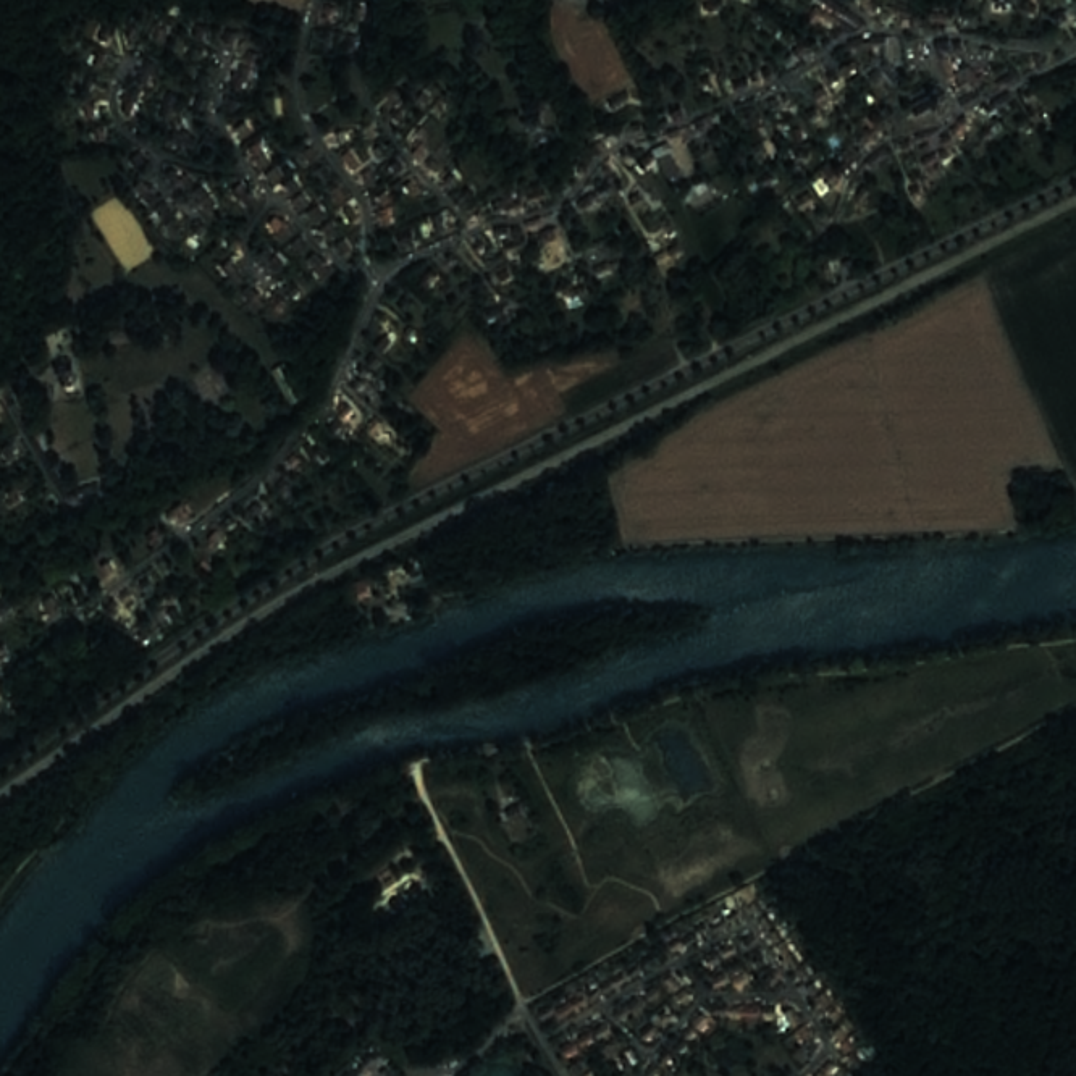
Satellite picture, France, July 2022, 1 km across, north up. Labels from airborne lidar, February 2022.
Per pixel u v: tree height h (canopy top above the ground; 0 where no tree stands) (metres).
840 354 0
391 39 25
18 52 7
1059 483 10
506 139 23
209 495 0
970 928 15
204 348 0
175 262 13
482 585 20
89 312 22
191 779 24
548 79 24
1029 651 0
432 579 15
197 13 10
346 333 18
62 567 10
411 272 8
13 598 19
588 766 0
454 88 18
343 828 21
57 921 0
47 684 30
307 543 19
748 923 0
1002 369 0
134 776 0
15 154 15
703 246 0
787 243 13
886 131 0
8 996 0
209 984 0
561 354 16
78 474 13
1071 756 12
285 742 16
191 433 21
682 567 0
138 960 7
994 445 0
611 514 14
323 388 19
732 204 0
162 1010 0
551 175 18
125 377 0
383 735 0
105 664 28
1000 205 7
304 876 23
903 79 15
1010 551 0
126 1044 0
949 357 0
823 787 0
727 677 14
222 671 15
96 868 0
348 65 23
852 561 0
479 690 20
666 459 0
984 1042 17
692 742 0
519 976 0
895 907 17
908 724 0
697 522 0
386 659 0
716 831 0
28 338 19
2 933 0
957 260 0
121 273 7
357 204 0
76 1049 0
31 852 9
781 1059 0
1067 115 12
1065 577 0
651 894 0
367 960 24
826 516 0
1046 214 0
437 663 25
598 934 0
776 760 0
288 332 12
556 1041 6
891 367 0
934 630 0
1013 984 17
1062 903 26
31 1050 19
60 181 18
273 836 26
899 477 0
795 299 10
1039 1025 17
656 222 0
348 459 20
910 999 15
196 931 0
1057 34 11
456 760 20
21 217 24
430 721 0
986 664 0
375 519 0
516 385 0
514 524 21
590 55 0
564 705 0
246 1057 13
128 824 0
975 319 0
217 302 0
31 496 10
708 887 0
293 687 0
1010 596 0
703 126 0
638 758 0
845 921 14
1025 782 15
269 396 22
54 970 0
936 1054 15
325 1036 20
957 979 17
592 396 0
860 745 0
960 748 0
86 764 17
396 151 10
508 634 13
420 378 7
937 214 0
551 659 16
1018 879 27
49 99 19
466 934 25
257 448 20
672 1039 9
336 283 8
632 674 0
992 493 0
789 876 27
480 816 0
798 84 0
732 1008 0
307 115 0
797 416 0
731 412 0
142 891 28
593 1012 0
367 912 22
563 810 0
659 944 6
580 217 11
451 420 0
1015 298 0
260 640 18
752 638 0
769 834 0
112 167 0
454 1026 21
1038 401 0
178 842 0
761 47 11
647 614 18
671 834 0
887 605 0
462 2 13
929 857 21
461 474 0
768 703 0
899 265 0
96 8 15
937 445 0
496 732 0
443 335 9
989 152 8
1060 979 12
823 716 0
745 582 0
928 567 0
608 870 0
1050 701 0
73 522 21
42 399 27
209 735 0
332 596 16
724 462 0
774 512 0
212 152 18
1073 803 16
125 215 0
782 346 0
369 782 26
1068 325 0
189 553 18
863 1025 13
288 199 0
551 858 0
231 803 0
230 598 10
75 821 10
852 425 0
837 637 0
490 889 0
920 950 17
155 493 25
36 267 13
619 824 0
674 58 0
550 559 22
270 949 0
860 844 12
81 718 11
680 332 13
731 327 7
